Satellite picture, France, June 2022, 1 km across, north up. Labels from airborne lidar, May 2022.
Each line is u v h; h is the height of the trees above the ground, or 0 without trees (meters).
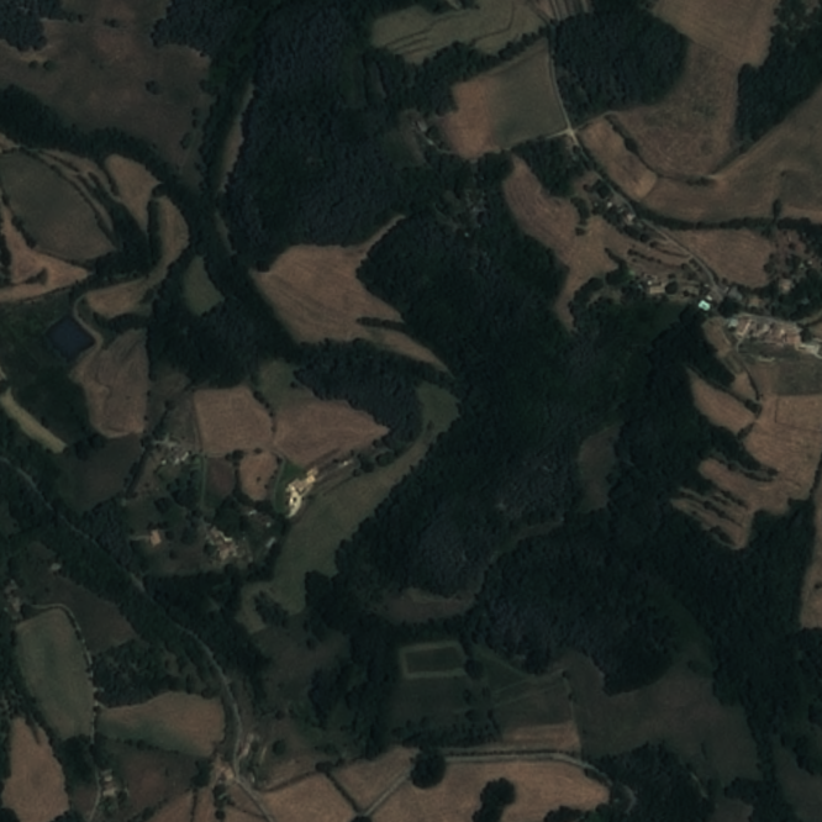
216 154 21
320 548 0
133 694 11
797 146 0
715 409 0
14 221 7
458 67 11
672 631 21
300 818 0
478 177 10
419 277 17
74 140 19
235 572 14
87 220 0
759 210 0
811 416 0
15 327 0
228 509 8
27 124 15
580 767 0
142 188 0
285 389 0
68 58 0
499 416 7
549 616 23
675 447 11
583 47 17
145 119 0
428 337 15
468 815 0
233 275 18
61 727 0
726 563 18
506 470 14
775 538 18
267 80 22
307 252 0
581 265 0
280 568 0
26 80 0
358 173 15
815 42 13
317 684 21
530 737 0
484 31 0
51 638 0
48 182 0
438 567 11
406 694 0
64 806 0
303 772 0
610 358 13
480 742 11
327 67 28
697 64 0
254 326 12
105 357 0
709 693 0
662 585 24
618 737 0
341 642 0
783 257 0
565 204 0
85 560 14
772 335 0
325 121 14
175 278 18
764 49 0
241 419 0
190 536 18
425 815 0
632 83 25
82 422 6
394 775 0
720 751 0
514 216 7
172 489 13
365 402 21
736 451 13
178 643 14
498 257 11
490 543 18
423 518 9
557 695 0
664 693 0
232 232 7
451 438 15
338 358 10
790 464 0
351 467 0
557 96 0
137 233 18
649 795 20
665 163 0
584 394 13
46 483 19
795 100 11
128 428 0
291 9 22
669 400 14
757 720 17
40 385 0
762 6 0
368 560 6
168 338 19
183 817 0
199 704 0
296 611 0
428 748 14
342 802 0
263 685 10
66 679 0
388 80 17
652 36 20
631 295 18
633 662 26
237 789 0
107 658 8
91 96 0
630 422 11
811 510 6
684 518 12
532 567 18
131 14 0
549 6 0
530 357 19
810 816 0
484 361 10
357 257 0
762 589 7
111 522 22
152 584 18
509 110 0
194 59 0
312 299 0
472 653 11
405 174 14
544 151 15
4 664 12
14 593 7
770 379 0
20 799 0
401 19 0
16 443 15
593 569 24
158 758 0
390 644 19
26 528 10
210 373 6
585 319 17
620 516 25
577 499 14
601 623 25
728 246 0
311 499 6
